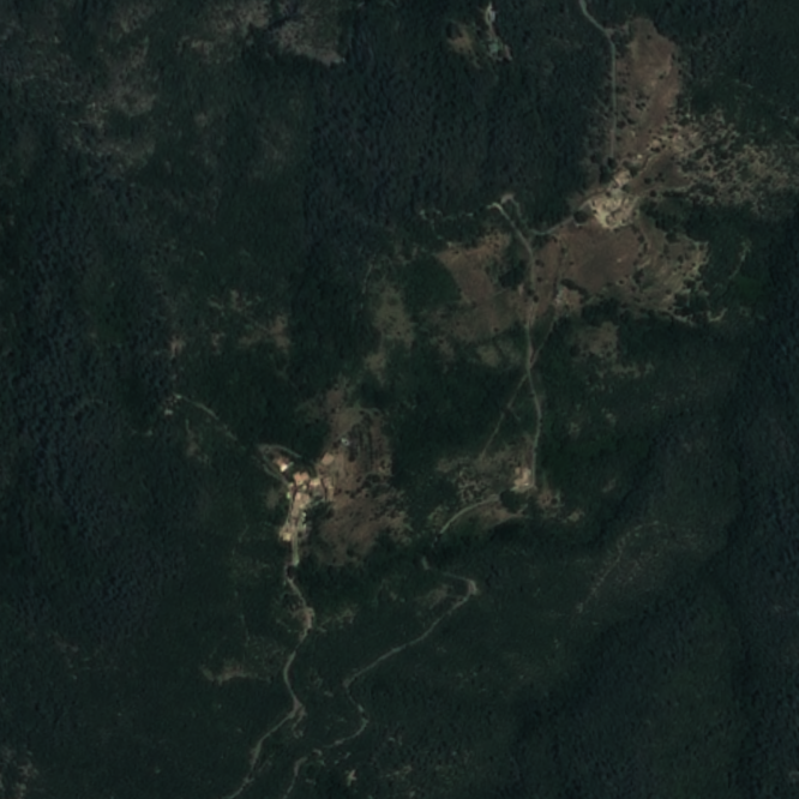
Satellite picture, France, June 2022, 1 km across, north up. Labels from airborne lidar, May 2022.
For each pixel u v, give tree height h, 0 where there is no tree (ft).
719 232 34
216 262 23
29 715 33
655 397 22
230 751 25
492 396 40
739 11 49
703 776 26
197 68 36
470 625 23
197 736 27
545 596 33
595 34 24
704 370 33
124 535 22
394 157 30
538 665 24
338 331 33
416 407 20
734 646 47
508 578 44
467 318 0
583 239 0
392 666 20
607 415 19
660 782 40
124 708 21
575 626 26
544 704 54
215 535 27
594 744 29
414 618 20
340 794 53
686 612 37
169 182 21
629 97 0
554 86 32
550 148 46
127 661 27
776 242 54
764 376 49
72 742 20
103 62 30
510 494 38
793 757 23
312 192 27
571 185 24
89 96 33
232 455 19
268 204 30
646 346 24
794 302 26
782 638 23
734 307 35
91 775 23
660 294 0
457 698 18
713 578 46
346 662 22
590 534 25
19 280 39
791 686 30
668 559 18
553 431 26
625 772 43
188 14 30
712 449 26
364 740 27
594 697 37
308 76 38
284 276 22
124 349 55
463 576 25
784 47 30
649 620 34
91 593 38
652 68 0
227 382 36
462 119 31
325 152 22
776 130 21
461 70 37
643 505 27
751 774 50
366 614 22
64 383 64
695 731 26
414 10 42
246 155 20
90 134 20
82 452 60
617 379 22
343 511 0
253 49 42
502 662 24
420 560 39
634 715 28
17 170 30
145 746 24
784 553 32
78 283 27
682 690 26
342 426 0
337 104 18
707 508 28
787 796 48
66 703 22
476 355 21
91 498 41
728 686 45
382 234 21
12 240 31
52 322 25
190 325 25
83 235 50
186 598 27
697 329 22
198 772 29
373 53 18
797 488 57
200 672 28
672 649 29
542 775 35
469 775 23
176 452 21
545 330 0
